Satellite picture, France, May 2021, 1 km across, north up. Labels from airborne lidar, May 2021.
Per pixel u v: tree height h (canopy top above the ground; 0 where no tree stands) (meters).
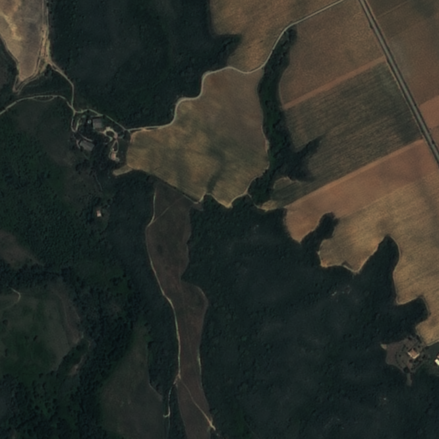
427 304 0
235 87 0
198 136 0
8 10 0
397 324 7
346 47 0
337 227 0
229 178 0
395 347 0
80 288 6
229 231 7
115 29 0
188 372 0
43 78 0
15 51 0
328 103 0
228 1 0
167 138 0
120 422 0
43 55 0
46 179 16
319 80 0
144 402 0
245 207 10
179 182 0
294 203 0
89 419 13
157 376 10
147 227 0
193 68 6
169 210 0
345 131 0
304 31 0
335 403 9
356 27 0
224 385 6
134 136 0
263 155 0
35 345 0
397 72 0
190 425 0
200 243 5
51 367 0
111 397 0
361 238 0
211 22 0
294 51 0
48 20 0
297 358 0
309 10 0
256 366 9
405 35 0
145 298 7
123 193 9
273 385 9
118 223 8
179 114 0
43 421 18
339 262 0
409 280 0
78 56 7
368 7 0
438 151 0
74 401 13
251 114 0
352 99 0
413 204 0
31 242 8
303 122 0
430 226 0
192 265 8
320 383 8
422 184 0
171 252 0
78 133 18
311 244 7
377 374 6
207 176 0
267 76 14
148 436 0
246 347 8
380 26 0
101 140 10
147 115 5
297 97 0
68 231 9
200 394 0
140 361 0
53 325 0
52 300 0
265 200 0
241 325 7
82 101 0
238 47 0
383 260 7
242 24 0
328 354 6
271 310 8
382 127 0
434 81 0
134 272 7
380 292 5
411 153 0
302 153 8
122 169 0
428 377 8
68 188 0
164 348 7
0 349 0
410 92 0
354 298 0
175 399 6
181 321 0
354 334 7
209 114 0
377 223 0
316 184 0
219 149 0
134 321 15
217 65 6
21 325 0
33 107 0
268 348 7
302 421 8
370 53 0
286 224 0
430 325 0
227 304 8
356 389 7
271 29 0
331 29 0
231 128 0
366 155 0
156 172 0
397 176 0
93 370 8
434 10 0
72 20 7
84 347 7
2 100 17
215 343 12
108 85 9
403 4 0
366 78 0
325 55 0
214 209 9
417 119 0
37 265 15
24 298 0
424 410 7
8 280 26
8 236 0
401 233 0
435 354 0
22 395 19
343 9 0
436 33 0
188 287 0
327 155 0
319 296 7
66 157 0
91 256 14
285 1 0
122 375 0
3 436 8
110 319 23
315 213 0
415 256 0
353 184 0
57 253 10
